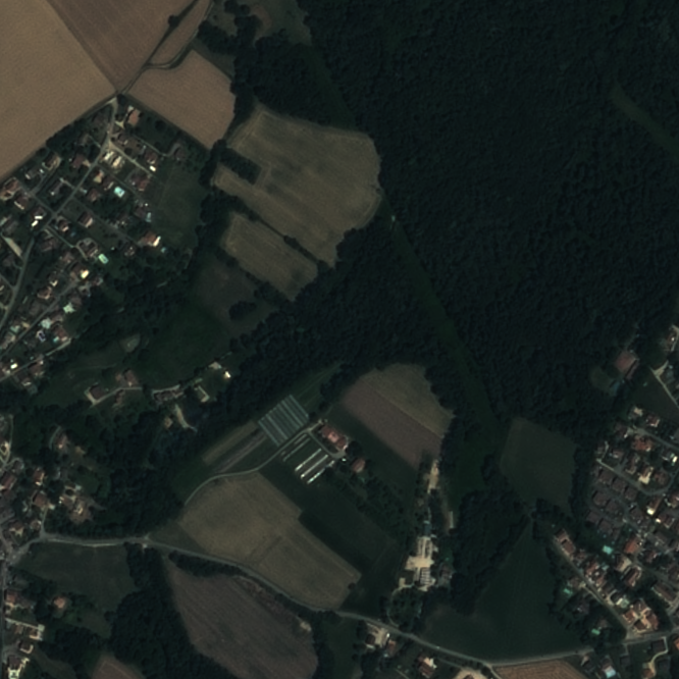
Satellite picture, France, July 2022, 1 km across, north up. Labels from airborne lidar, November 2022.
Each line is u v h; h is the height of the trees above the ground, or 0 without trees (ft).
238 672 0
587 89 57
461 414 81
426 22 18
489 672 51
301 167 0
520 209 71
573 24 36
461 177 48
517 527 37
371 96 57
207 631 0
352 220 0
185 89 0
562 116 40
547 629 0
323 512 0
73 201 0
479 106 55
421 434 0
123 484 57
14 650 0
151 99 0
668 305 63
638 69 61
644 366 29
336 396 49
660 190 61
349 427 0
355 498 23
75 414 75
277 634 0
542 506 61
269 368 39
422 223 68
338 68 75
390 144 68
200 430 71
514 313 96
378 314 69
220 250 54
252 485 0
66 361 24
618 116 56
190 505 0
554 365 94
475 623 0
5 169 0
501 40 59
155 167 0
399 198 80
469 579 85
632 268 28
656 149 63
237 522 0
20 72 0
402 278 75
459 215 54
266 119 0
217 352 0
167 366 0
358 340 76
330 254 0
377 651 25
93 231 0
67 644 66
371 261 65
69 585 0
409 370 0
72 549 0
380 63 47
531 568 0
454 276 82
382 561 0
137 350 23
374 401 0
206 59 0
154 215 0
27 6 0
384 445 0
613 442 32
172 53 0
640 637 0
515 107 59
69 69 0
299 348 61
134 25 0
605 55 69
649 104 77
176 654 65
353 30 72
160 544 0
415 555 27
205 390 0
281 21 0
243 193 0
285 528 0
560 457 0
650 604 65
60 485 48
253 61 76
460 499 0
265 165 0
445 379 61
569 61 50
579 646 0
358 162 0
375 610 0
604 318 47
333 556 0
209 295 0
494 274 81
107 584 0
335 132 0
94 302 55
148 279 59
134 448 61
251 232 0
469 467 0
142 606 31
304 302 87
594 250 23
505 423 24
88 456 24
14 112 0
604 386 0
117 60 0
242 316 77
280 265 0
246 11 53
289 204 0
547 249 42
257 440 0
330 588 0
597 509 0
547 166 64
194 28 0
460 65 51
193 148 30
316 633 38
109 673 0
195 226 0
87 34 0
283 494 0
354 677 0
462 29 58
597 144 68
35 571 0
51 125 0
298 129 0
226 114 0
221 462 0
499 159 59
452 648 0
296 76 74
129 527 69
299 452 0
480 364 19
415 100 59
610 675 0
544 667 0
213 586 0
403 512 39
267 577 0
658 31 72
